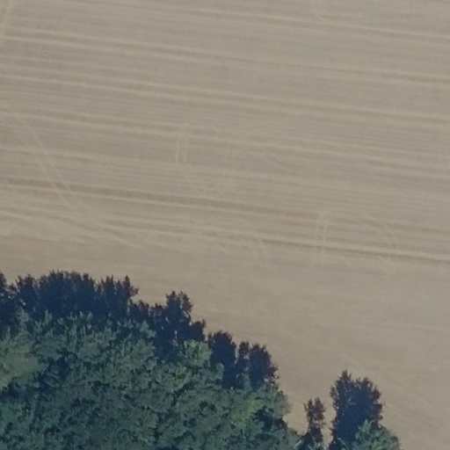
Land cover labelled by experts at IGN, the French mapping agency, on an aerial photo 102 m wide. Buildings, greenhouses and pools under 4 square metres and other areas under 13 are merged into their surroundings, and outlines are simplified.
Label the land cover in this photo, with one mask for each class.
<instances>
[{"label":"plowed land","instance_id":"1","mask_svg":"<svg viewBox=\"0 0 450 450\"><path fill-rule=\"evenodd\" d=\"M19 311H26L37 322L42 320L46 313L60 318L91 313L100 316L102 320L111 318L130 323L135 329L139 327V323H148L149 329L155 330L156 339L160 343L183 346L186 341H199L209 346L213 362L223 364V387L243 388L244 380L250 378L253 385L260 383L269 392L279 388L287 397L290 406L287 415L283 417L285 424L290 429L304 434L302 445L309 448V445L323 441V448L327 450H341L353 445L355 434L364 422H369L374 432L378 431L381 425L390 434L397 436L401 450H450V0H0V330L18 325Z\"/></svg>","mask_w":450,"mask_h":450},{"label":"deciduous trees","instance_id":"2","mask_svg":"<svg viewBox=\"0 0 450 450\"><path fill-rule=\"evenodd\" d=\"M18 325L0 330V425L18 438L19 445L30 450H327L323 448V441L309 445V448L302 445L304 434L290 429L285 424L283 417L287 415L290 406L287 397L279 388L269 392L260 383L253 385L250 378L244 380L243 388L223 387V364L213 362L209 346L199 341H186L183 346L160 343L156 339L155 330L149 329L148 323H139V327L135 329L130 323L111 318L102 320L100 316L91 313L60 318L46 313L42 320L37 322L26 311H19ZM341 450H401L397 436L390 434L381 425L378 431L374 432L369 422H364L355 434L353 445Z\"/></svg>","mask_w":450,"mask_h":450},{"label":"brushwood","instance_id":"3","mask_svg":"<svg viewBox=\"0 0 450 450\"><path fill-rule=\"evenodd\" d=\"M0 450H30L19 445L18 438L0 425Z\"/></svg>","mask_w":450,"mask_h":450}]
</instances>
